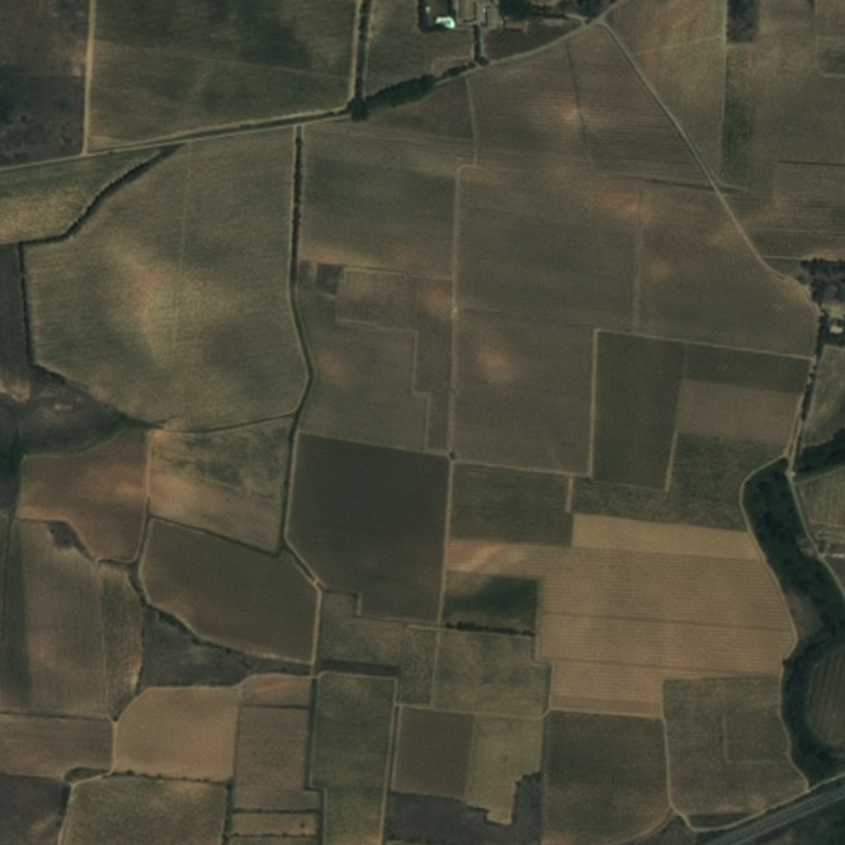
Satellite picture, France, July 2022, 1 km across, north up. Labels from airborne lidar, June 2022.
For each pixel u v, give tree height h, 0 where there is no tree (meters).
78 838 0
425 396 0
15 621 0
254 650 0
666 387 0
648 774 0
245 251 0
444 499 0
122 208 0
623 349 0
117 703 0
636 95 0
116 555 0
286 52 0
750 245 0
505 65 0
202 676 0
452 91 0
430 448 0
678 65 0
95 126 0
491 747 0
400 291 0
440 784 0
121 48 0
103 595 0
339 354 0
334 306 0
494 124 0
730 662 0
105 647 0
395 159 0
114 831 0
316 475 0
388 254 0
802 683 19
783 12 0
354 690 0
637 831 0
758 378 0
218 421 0
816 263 12
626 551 0
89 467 0
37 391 0
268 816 0
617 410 0
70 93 0
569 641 0
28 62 0
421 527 0
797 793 0
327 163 0
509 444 0
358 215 0
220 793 0
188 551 0
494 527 0
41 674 0
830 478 0
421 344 0
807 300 0
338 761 0
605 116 0
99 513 0
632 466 0
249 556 0
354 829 0
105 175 0
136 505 0
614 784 0
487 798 0
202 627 0
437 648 0
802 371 0
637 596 0
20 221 0
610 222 0
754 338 0
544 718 0
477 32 10
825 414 0
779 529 18
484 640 0
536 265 0
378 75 0
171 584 0
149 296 0
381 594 0
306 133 0
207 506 0
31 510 0
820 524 0
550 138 0
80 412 0
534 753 0
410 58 0
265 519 0
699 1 0
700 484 0
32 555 0
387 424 0
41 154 0
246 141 0
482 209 0
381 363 0
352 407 0
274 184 0
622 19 0
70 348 0
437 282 0
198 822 0
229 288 0
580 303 0
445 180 0
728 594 0
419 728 0
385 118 0
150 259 0
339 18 0
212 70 0
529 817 0
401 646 0
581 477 0
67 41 0
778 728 0
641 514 0
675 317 0
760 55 0
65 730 0
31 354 10
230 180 0
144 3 0
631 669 0
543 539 0
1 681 0
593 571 0
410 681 0
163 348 0
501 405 0
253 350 0
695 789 0
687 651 0
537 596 0
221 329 0
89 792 0
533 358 0
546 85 0
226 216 0
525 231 0
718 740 0
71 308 0
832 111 0
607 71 0
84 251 0
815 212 0
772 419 0
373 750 0
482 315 0
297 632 0
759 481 9
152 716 0
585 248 0
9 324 0
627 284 0
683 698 0
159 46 0
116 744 0
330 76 0
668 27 0
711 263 0
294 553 0
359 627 0
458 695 0
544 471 0
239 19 0
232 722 0
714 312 0
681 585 0
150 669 0
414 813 0
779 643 0
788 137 0
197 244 0
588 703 0
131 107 0
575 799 0
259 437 0
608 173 0
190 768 0
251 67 0
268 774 0
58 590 0
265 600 0
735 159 0
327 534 0
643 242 0
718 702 0
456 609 0
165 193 0
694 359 0
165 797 0
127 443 0
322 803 0
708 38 0
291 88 0
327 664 0
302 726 0
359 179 0
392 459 0
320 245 0
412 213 0
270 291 0
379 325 0
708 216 0
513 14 17
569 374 0
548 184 0
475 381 0
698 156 0
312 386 0
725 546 0
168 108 0
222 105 0
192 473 0
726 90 0
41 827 0
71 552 0
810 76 0
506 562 0
